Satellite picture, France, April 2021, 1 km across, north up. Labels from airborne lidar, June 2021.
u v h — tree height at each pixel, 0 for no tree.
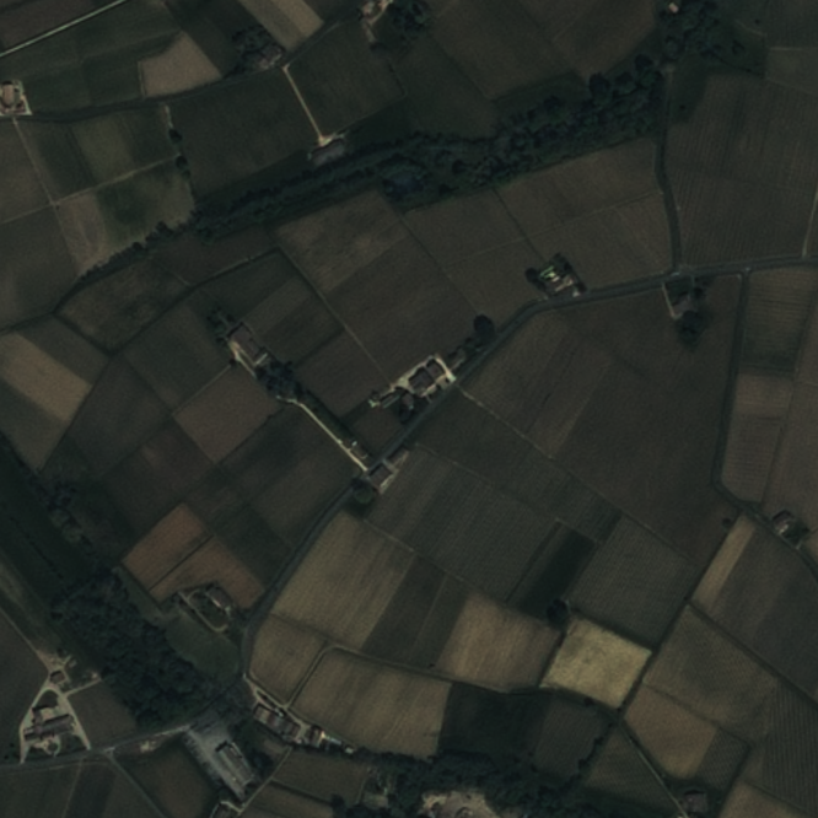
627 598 0
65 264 0
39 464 0
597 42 0
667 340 0
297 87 0
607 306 0
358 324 0
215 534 0
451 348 0
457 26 0
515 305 0
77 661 0
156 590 0
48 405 0
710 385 0
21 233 0
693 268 0
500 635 0
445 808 0
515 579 0
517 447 0
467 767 20
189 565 0
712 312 0
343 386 0
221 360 0
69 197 0
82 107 0
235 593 0
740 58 10
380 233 0
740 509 0
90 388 0
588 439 0
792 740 0
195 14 0
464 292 0
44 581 0
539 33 0
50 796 0
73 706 0
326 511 0
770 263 0
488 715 0
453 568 0
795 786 0
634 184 0
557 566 0
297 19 0
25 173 0
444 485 0
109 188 0
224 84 0
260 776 9
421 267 0
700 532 0
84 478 0
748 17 0
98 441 0
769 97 0
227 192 0
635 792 0
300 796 0
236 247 0
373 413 0
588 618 0
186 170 15
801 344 0
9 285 0
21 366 0
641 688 0
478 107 0
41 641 0
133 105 0
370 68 0
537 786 0
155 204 0
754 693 0
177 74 0
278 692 0
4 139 0
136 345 0
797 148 0
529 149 12
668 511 0
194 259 0
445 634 0
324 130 0
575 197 0
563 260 7
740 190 0
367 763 16
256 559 0
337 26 0
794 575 0
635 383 0
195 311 0
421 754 0
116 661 10
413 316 0
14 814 0
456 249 0
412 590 0
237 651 0
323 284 0
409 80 0
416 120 0
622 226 0
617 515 0
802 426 0
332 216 0
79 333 0
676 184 0
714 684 0
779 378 0
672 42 10
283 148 0
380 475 0
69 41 0
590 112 18
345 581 0
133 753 0
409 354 0
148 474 0
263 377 16
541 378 0
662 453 0
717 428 0
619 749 0
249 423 0
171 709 22
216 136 0
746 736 0
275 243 0
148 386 0
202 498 0
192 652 0
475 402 0
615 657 0
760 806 0
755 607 0
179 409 0
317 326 0
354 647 0
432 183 14
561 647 0
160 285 0
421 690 0
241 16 0
